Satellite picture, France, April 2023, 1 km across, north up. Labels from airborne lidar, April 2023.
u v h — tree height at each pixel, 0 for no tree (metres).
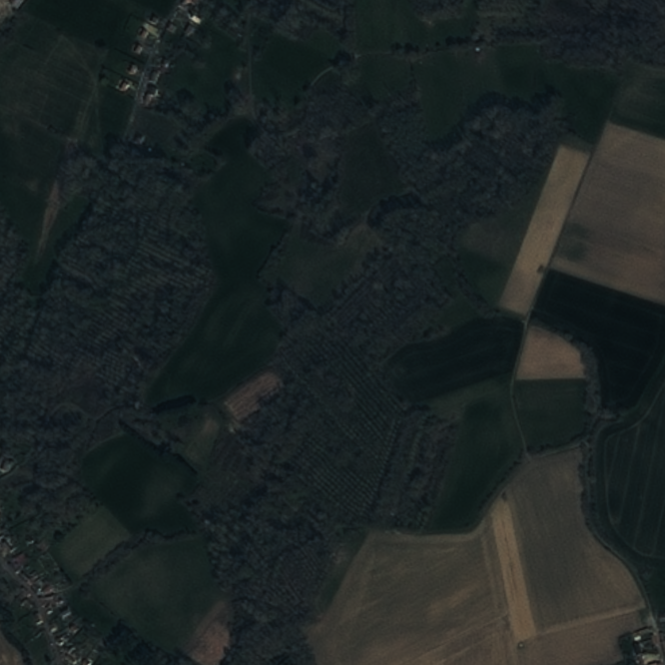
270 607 11
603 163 0
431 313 19
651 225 0
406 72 0
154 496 0
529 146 27
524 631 0
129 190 16
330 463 16
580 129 0
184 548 0
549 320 0
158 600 0
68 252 22
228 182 0
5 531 9
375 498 21
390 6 0
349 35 14
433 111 0
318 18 9
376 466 16
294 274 0
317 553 16
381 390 17
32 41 0
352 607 0
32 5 0
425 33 0
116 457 0
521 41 13
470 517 0
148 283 35
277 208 0
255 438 8
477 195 21
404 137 17
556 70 0
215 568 10
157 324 8
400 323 19
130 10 0
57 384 24
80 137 0
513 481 0
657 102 0
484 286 0
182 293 22
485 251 0
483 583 0
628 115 0
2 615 14
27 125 0
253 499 0
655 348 0
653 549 0
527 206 0
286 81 0
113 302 29
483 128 28
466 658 0
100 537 0
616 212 0
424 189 25
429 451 13
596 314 0
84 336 14
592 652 0
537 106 0
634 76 0
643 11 29
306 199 15
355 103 12
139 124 0
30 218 0
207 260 7
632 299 0
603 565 0
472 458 0
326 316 13
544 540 0
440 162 31
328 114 17
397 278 16
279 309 14
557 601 0
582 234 0
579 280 0
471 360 0
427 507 14
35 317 30
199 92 0
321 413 26
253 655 25
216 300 0
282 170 23
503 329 0
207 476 0
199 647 0
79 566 0
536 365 0
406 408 20
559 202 0
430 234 27
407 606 0
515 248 0
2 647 0
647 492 0
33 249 0
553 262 0
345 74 23
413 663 0
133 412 23
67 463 22
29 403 26
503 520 0
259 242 0
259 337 0
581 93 0
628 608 0
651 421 0
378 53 0
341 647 0
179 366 0
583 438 9
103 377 26
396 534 7
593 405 20
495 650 0
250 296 0
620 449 0
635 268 0
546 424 0
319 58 0
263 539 26
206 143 16
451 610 0
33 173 0
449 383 0
